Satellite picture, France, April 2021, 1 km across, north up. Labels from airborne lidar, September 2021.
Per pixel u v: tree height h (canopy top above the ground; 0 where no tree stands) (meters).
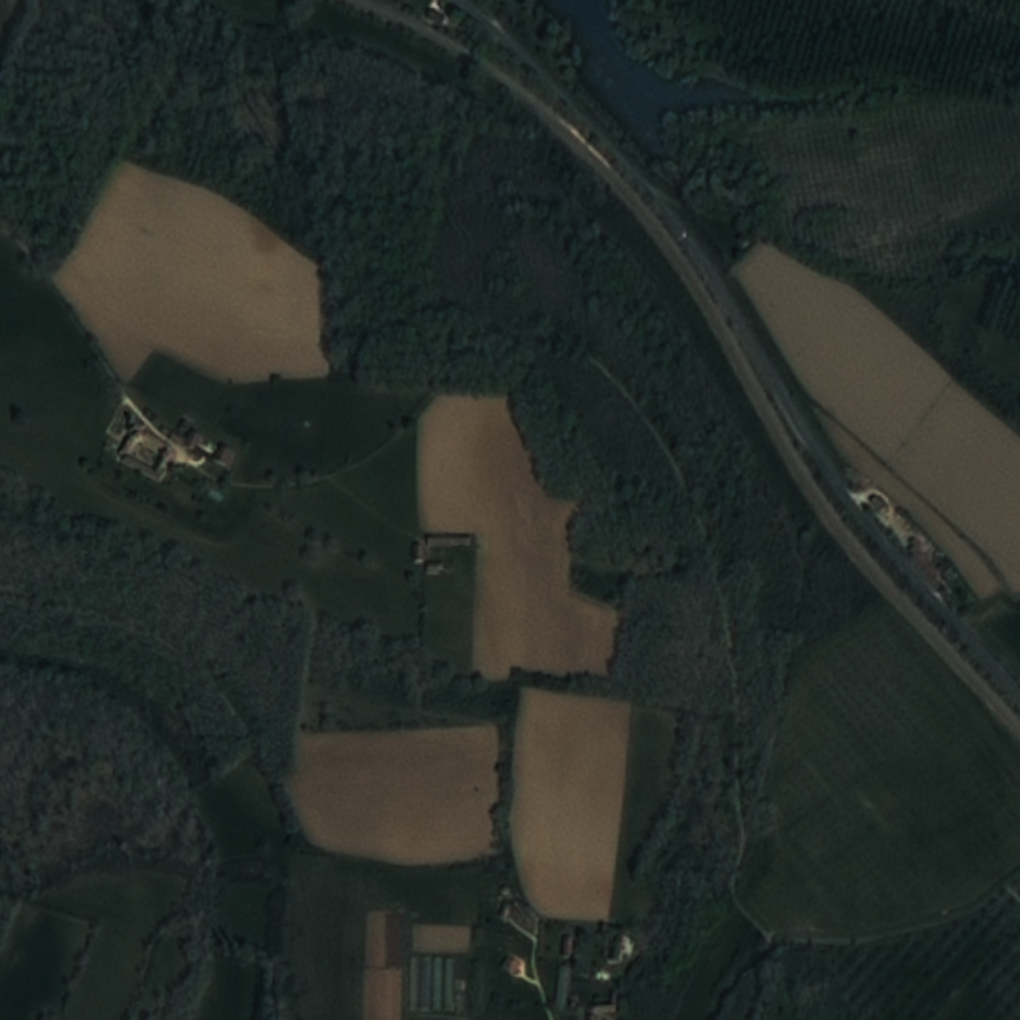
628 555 18
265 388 0
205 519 10
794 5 27
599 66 0
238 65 21
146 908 0
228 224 0
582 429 13
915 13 29
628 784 0
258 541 0
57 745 22
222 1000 0
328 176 26
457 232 15
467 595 0
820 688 7
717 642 16
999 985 12
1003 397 6
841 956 10
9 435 0
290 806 10
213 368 0
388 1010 0
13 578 20
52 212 15
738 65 29
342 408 0
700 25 25
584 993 0
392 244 23
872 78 15
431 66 0
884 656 7
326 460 0
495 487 0
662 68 11
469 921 0
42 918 0
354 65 19
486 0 22
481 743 0
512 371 21
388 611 0
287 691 23
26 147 27
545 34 15
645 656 20
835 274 15
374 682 7
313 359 0
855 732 6
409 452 0
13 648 17
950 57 25
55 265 23
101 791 19
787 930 0
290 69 19
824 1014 7
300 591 15
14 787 19
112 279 0
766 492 10
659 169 14
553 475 20
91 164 24
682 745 15
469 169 16
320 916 0
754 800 21
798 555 12
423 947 0
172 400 0
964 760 0
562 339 13
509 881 13
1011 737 0
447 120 22
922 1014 7
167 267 0
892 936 0
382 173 21
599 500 22
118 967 0
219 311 0
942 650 0
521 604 0
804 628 11
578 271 15
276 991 9
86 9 13
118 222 0
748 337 0
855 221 24
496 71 12
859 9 29
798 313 0
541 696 0
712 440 22
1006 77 28
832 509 9
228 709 15
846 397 0
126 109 26
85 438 0
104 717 25
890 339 0
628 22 10
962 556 0
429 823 0
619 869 0
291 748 19
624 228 7
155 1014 6
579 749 0
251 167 25
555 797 0
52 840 17
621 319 25
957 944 7
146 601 22
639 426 20
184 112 16
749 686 17
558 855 0
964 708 0
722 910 17
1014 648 0
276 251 0
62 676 17
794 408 0
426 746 0
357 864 0
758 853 11
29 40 14
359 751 0
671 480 23
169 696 19
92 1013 0
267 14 0
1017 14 27
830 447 0
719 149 10
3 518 16
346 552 0
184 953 20
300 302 0
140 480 12
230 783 0
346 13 9
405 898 0
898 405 0
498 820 14
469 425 0
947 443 0
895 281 20
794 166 19
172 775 21
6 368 0
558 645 0
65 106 24
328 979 0
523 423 21
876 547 12
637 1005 22
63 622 19
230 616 20
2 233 14
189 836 24
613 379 16
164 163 12
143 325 0
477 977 11
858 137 13
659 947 23
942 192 16
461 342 23
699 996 0
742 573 22
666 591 17
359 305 22
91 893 0
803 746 6
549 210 14
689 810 7
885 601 0
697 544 19
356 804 0
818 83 30
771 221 16
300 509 0
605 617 0
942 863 6
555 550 0
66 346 0
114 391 15
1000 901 8
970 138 15
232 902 0
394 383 20
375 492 0
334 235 24
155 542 18
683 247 14
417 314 21
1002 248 15
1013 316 29
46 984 0
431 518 0
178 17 19
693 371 24
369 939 0
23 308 0
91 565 21
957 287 18
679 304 8
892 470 0
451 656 0
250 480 0
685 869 21
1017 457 0
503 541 0
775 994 15
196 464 0
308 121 19
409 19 12
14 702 22
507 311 17
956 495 0
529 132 21
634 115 0
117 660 23
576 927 0
